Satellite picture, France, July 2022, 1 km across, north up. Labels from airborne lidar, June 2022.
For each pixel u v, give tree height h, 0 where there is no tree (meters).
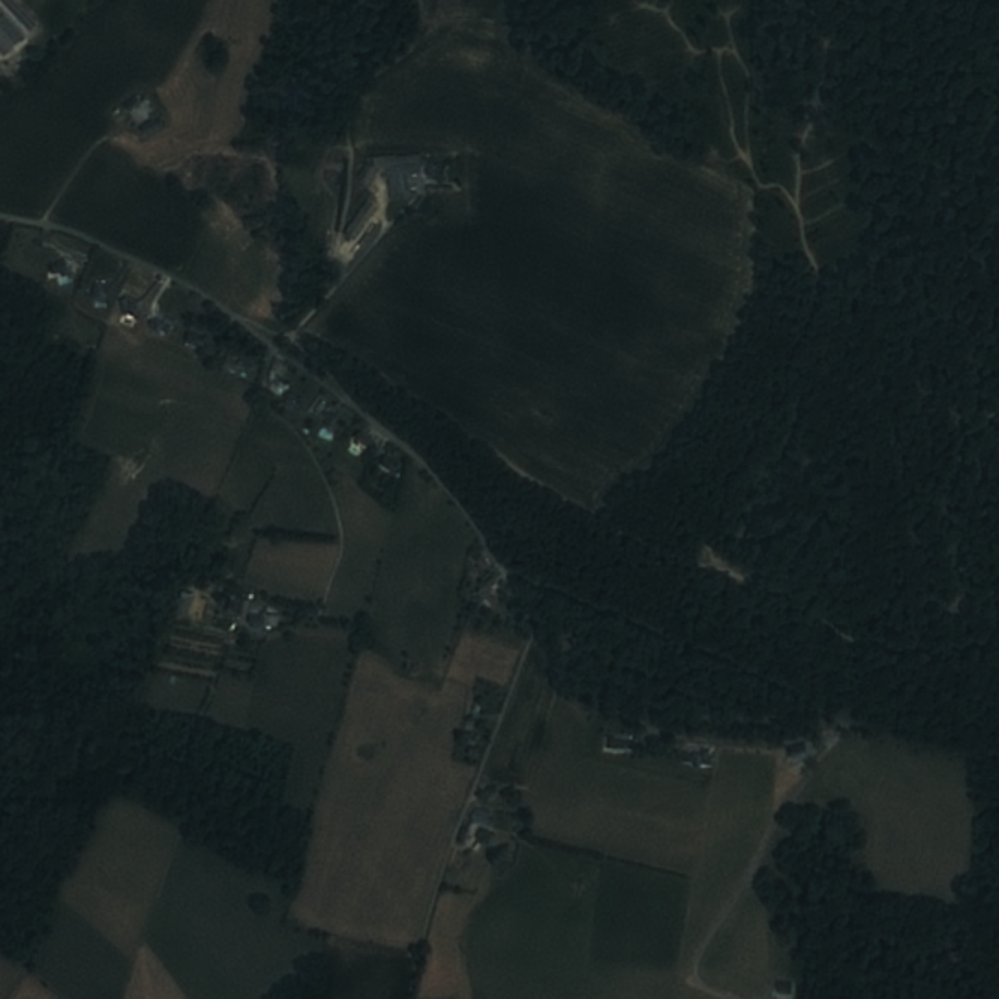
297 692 0
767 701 23
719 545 22
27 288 20
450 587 0
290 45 10
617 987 0
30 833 32
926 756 0
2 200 0
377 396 17
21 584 34
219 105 0
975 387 24
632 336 0
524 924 0
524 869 0
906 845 0
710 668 19
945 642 28
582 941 0
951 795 0
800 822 20
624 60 0
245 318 0
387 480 10
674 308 0
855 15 30
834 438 23
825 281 17
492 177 0
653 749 16
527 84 0
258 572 0
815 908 27
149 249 0
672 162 0
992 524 24
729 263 0
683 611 19
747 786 0
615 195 0
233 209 17
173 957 0
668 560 17
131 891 0
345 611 0
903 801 0
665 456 13
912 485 22
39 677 7
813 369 23
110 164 0
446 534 0
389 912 0
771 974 0
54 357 17
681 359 0
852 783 0
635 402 0
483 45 0
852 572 21
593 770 0
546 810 0
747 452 21
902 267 28
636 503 17
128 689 26
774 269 21
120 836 0
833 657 29
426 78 0
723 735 17
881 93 32
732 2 0
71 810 30
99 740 28
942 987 23
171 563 19
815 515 24
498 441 0
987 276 28
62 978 0
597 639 26
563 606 22
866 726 15
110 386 0
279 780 10
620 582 18
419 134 0
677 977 0
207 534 23
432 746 0
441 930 0
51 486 31
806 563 22
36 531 27
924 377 23
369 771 0
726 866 0
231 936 0
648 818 0
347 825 0
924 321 26
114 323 0
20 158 0
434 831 0
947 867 0
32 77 17
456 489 16
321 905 0
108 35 0
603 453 0
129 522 0
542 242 0
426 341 0
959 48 30
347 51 37
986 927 24
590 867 0
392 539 0
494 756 0
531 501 18
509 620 5
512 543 21
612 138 0
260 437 0
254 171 28
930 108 27
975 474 25
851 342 23
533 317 0
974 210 29
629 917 0
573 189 0
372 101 0
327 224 0
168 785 23
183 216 0
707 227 0
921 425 21
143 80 0
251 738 11
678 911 0
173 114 0
